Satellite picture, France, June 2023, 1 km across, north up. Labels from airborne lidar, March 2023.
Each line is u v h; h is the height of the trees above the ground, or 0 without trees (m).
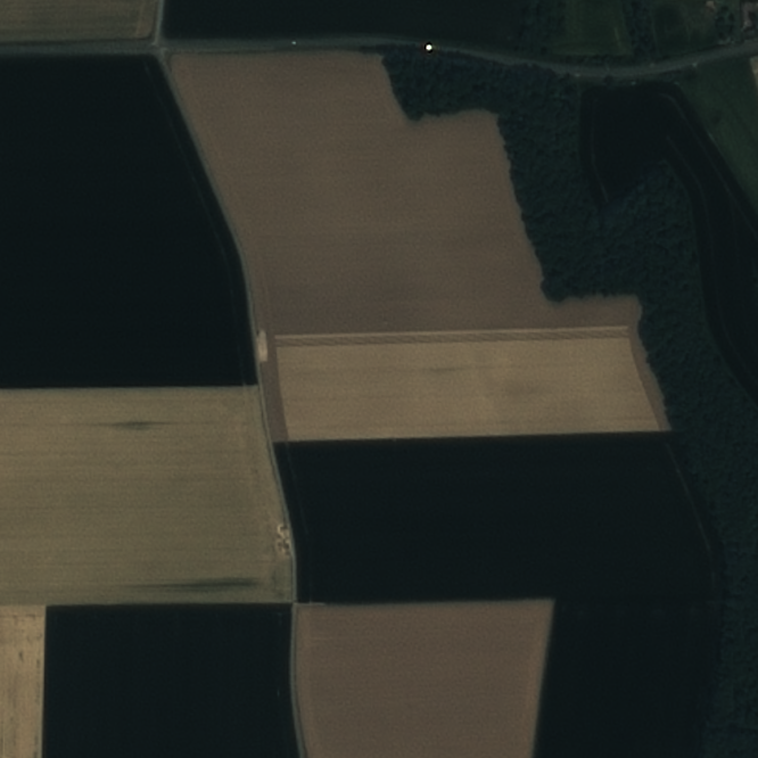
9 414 0
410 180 0
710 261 0
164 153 0
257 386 0
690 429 21
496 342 0
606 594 0
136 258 0
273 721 0
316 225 0
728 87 0
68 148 0
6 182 0
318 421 0
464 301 0
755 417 18
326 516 0
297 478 0
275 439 0
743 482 21
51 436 0
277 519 0
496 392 0
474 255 0
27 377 0
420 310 0
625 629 0
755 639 23
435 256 0
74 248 0
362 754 0
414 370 0
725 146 0
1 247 0
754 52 0
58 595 0
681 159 0
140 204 0
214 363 0
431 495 0
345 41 0
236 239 0
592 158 0
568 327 0
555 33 8
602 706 0
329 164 0
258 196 0
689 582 0
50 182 0
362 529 0
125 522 0
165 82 0
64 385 0
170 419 0
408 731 0
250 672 0
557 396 0
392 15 0
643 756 0
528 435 0
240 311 0
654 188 19
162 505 0
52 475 0
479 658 0
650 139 0
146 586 0
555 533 0
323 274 0
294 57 0
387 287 0
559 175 19
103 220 0
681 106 0
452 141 0
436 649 0
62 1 0
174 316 0
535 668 0
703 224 0
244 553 0
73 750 0
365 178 0
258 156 0
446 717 0
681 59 0
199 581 0
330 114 0
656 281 26
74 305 0
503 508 0
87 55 0
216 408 0
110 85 0
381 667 0
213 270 0
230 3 0
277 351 0
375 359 0
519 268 0
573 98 18
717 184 0
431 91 21
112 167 0
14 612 0
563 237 25
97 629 0
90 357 0
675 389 19
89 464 0
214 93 0
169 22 0
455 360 0
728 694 19
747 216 0
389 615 0
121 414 0
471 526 0
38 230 0
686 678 0
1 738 0
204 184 0
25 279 0
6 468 0
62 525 0
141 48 0
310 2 0
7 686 0
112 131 0
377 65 0
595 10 0
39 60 0
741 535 17
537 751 0
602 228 25
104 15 0
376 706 0
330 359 0
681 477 0
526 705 0
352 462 0
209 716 0
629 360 0
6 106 0
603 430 0
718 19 6
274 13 0
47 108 0
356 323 0
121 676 0
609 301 0
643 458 0
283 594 0
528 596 0
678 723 0
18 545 0
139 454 0
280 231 0
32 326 0
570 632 0
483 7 0
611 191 0
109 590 0
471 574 0
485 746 0
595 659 0
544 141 20
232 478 0
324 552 0
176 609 0
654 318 21
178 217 0
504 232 0
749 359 0
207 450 0
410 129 0
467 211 0
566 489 0
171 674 0
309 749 0
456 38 0
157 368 0
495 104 19
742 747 24
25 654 0
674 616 0
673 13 0
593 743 0
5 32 0
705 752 18
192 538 0
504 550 0
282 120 0
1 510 0
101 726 0
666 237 23
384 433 0
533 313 0
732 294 0
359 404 0
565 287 19
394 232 0
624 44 0
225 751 0
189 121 0
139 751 0
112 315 0
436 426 0
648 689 0
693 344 21
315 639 0
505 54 0
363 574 0
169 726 0
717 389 24
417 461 0
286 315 0
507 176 0
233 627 0
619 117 0
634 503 0
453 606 0
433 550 0
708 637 0
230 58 0
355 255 0
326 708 0
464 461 0
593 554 0
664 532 0
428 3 0
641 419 0
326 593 0
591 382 0
